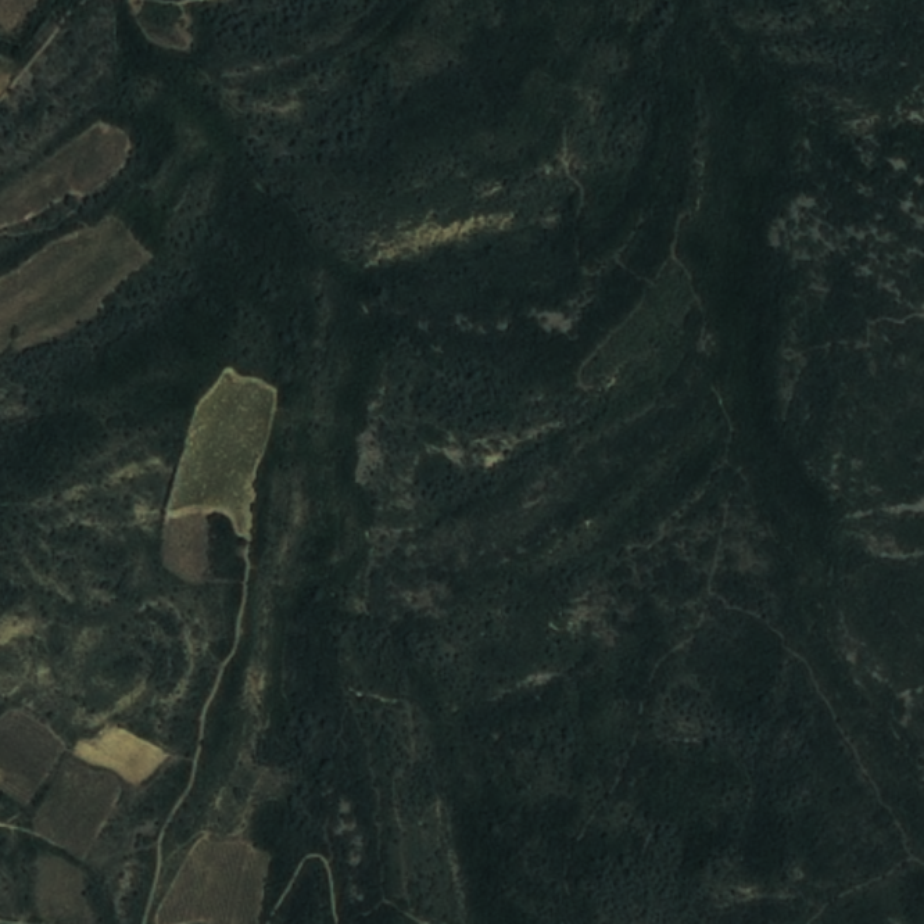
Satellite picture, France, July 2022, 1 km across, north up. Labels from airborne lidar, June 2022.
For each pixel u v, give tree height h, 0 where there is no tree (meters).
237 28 13
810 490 8
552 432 7
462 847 7
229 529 6
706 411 6
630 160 9
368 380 7
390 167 6
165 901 0
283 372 13
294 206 9
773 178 9
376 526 0
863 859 6
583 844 6
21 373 9
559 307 6
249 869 0
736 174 6
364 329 6
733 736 10
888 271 0
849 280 6
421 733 8
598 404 6
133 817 0
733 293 9
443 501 8
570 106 5
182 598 0
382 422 8
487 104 6
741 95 7
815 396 6
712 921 7
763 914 6
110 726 0
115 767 0
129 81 18
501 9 9
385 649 10
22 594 8
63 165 0
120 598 7
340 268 7
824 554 6
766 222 9
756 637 7
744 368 8
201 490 0
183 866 0
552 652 8
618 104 15
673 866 7
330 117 7
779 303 9
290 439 9
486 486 9
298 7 12
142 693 0
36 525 6
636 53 6
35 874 0
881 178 7
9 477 6
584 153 6
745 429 6
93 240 0
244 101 16
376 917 6
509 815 7
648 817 9
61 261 0
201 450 0
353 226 8
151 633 0
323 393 7
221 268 6
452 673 7
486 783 8
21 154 0
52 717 9
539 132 6
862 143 6
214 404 0
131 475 0
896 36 6
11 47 7
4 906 0
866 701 6
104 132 0
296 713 9
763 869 7
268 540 6
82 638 0
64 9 6
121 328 9
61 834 0
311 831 6
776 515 6
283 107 0
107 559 6
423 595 0
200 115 6
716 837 7
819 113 6
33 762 0
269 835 7
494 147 9
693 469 7
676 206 6
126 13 9
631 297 6
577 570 8
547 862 11
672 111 8
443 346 6
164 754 0
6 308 0
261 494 7
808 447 6
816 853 8
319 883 7
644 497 6
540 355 6
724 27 7
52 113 7
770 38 6
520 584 8
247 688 0
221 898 0
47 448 6
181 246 11
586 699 7
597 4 5
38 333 0
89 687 0
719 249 6
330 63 9
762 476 6
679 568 6
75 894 0
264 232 8
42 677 0
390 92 12
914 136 7
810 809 6
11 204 0
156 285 7
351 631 15
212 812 0
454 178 8
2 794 10
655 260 6
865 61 12
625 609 0
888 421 0
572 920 6
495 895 8
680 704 7
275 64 8
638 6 10
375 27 5
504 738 6
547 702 6
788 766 5
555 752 10
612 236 7
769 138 7
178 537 0
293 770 9
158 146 8
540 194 9
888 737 7
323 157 12
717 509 7
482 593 8
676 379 7
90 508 8
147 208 6
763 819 7
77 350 8
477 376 15
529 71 6
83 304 0
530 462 10
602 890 11
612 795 8
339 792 6
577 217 6
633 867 8
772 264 7
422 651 11
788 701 6
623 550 8
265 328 10
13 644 0
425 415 8
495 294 7
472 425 12
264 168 11
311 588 6
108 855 0
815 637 8
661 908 9
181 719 8
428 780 10
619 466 6
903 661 0
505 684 8
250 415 0
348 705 6
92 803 0
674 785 6
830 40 10
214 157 9
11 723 0
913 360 0
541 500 0
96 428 6
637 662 10
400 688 7
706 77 6
